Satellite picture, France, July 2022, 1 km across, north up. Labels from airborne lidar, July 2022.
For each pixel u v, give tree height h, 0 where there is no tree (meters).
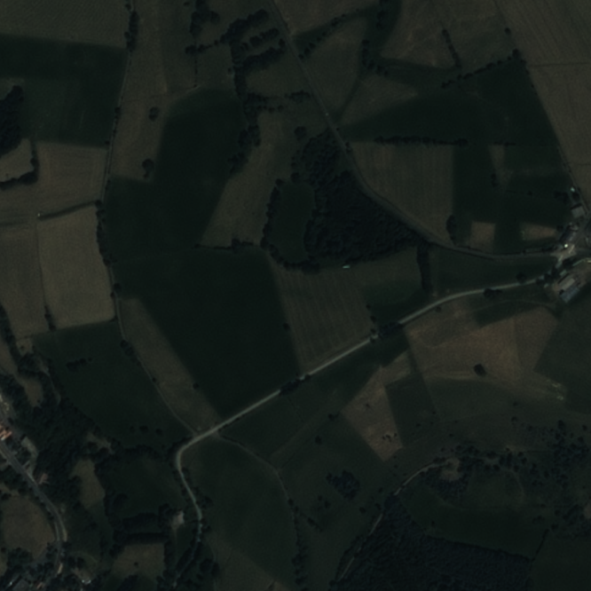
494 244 0
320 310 0
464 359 0
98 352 0
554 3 0
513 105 0
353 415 0
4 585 15
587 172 0
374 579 14
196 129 0
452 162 0
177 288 0
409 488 0
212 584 0
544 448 0
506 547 0
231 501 0
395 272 0
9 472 8
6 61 0
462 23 0
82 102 0
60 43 0
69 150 0
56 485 12
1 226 0
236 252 14
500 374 0
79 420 16
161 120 0
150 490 0
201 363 0
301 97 10
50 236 0
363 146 0
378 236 9
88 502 0
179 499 0
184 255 0
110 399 0
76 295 0
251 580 0
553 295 0
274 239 0
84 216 0
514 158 0
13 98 13
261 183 0
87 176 0
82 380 0
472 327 0
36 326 0
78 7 0
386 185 0
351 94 0
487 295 14
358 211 21
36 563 0
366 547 10
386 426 0
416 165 0
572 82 0
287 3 0
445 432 0
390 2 12
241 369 0
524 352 0
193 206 0
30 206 0
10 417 0
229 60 0
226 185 0
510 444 0
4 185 8
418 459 0
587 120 0
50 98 0
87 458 15
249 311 0
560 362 0
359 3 0
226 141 0
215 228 0
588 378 0
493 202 0
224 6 0
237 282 0
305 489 0
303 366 0
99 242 13
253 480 0
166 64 0
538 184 0
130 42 11
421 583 7
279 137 0
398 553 8
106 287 0
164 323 0
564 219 0
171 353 0
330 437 0
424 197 0
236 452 0
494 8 0
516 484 0
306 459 0
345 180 18
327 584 0
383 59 0
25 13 0
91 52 0
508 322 0
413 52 0
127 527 21
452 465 7
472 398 0
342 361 0
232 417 0
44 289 0
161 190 0
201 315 0
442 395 0
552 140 0
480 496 0
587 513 0
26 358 9
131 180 0
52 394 15
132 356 16
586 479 0
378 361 0
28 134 0
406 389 0
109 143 7
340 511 0
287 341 0
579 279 0
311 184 15
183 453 0
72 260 0
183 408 0
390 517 11
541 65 0
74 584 13
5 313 17
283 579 0
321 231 6
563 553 0
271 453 0
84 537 0
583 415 0
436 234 0
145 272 0
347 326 0
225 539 0
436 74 0
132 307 0
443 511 0
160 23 0
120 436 0
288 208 0
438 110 0
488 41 0
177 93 0
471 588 22
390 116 0
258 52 0
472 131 0
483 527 0
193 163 0
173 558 14
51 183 0
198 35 13
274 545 0
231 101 0
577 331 0
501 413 0
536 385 0
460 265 0
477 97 0
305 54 8
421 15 0
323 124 0
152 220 0
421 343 0
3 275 0
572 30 0
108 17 0
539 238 0
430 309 0
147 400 0
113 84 0
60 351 0
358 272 0
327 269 0
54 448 9
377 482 0
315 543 0
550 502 0
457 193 0
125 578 0
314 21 0
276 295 0
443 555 20
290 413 0
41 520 0
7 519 0
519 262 0
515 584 24
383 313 0
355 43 0
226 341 0
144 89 0
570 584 0
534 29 0
